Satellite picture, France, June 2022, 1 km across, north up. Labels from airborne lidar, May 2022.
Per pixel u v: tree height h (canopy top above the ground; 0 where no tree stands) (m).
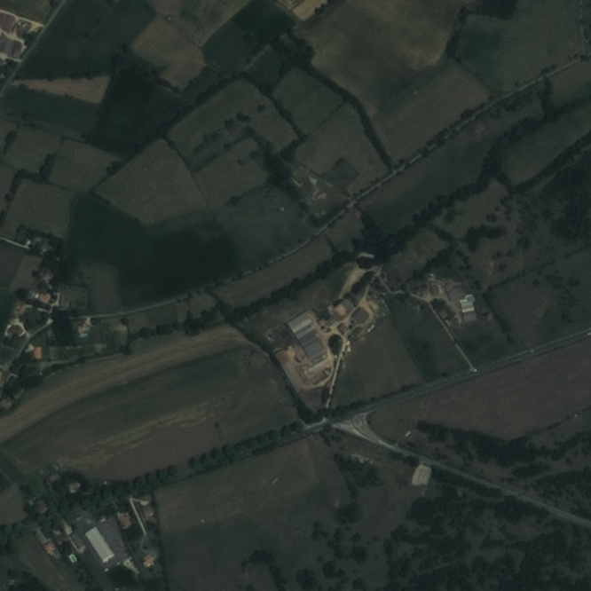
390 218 0
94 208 0
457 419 0
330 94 0
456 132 11
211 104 0
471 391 0
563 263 0
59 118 0
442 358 0
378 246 14
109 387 0
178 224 0
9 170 0
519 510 11
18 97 0
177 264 0
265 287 0
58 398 0
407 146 0
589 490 8
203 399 0
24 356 9
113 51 0
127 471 0
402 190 0
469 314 0
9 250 0
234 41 0
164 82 14
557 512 0
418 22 0
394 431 0
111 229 0
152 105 0
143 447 0
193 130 0
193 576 0
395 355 0
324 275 14
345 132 0
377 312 0
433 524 8
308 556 0
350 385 0
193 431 0
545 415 0
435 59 0
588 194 9
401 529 9
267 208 0
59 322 15
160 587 0
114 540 0
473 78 0
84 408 0
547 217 7
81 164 0
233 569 0
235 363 0
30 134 0
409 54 0
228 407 0
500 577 9
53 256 13
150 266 0
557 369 0
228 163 0
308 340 0
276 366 10
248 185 0
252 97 0
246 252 0
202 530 0
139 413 0
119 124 0
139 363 0
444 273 0
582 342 0
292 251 0
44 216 0
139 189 0
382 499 0
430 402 0
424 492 0
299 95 0
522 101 9
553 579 11
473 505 11
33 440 0
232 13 0
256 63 0
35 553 0
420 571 7
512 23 0
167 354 0
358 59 0
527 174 0
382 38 0
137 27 0
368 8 0
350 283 0
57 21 0
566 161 9
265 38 0
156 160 0
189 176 0
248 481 0
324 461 0
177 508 0
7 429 0
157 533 9
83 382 0
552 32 0
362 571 0
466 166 0
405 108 0
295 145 12
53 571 0
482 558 8
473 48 0
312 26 0
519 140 28
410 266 0
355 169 0
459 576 8
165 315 0
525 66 0
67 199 0
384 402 0
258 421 0
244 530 0
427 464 0
